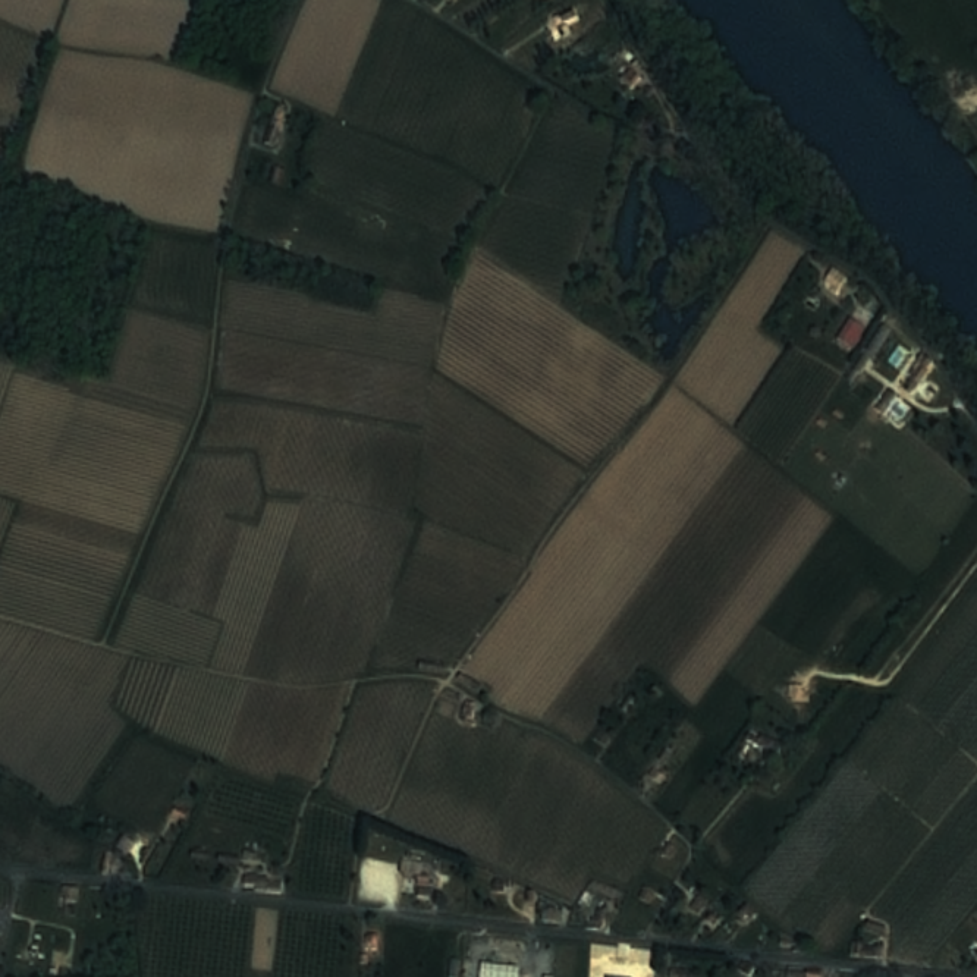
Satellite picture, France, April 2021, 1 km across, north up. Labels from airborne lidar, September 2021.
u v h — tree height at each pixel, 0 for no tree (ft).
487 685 0
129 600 0
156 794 0
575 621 0
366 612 0
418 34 0
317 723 0
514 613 0
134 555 0
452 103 0
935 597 0
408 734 0
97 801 0
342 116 0
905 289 66
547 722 0
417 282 0
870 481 0
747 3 0
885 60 104
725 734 0
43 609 0
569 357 0
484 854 0
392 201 0
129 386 0
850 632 0
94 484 0
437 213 0
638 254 17
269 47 56
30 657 0
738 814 0
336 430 0
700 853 32
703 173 30
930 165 0
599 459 0
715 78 47
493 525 0
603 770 0
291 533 0
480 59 0
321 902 0
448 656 0
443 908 62
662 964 45
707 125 71
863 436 0
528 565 0
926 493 0
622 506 0
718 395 0
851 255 48
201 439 0
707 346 0
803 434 0
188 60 57
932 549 0
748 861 0
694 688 0
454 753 0
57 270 53
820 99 0
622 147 33
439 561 0
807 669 0
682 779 0
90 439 0
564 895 0
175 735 0
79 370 66
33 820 0
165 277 0
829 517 0
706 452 0
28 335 73
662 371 38
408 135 0
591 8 0
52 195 74
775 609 0
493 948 0
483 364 0
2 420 0
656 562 0
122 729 0
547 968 0
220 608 0
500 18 64
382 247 0
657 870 0
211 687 0
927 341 46
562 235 0
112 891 23
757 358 0
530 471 0
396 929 0
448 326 0
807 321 0
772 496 0
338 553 0
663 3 104
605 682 0
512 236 0
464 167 0
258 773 0
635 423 0
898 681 0
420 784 0
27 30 0
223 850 0
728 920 0
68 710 0
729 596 0
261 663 0
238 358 0
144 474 0
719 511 0
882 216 0
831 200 116
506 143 0
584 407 0
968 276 0
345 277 43
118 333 44
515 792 0
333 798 0
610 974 0
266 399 0
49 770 0
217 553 0
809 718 0
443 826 0
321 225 0
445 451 0
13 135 50
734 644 0
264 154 0
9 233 53
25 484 0
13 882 0
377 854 0
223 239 31
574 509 0
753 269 0
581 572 0
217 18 31
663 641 0
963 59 0
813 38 0
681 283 55
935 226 0
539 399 0
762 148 126
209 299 0
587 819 0
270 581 0
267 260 47
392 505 0
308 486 0
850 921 0
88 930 0
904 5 0
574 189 0
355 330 0
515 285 0
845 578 0
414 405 0
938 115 111
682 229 0
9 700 0
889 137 0
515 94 0
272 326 0
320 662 0
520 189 0
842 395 0
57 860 0
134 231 62
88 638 0
